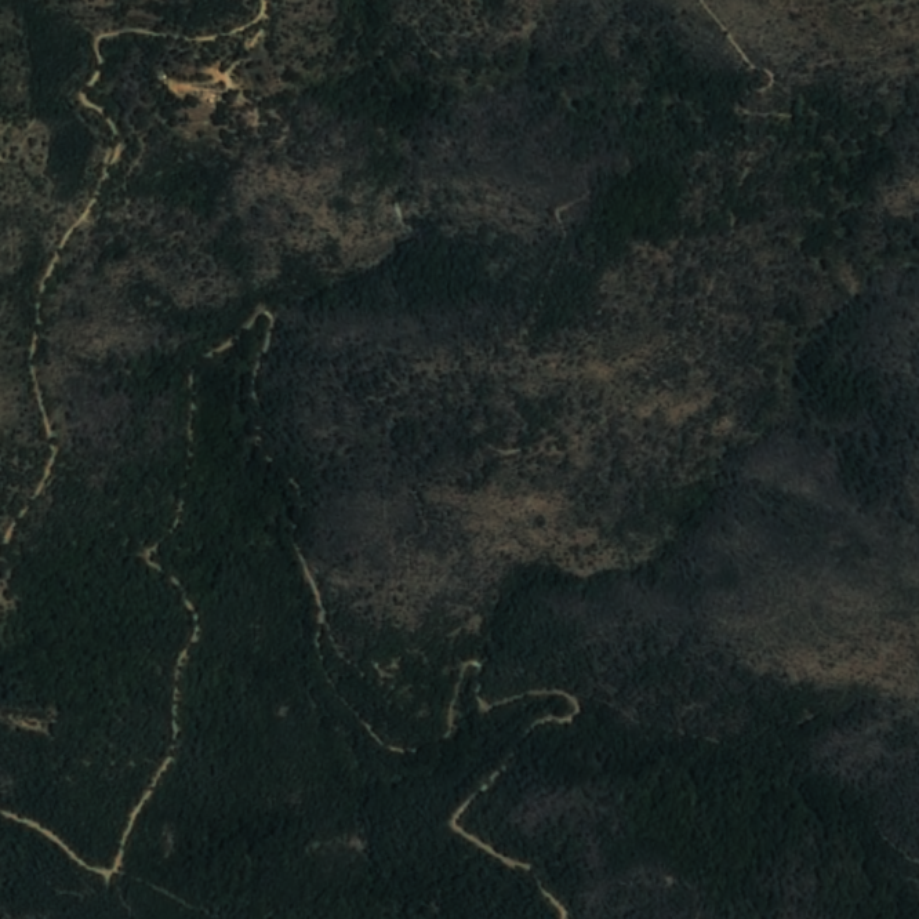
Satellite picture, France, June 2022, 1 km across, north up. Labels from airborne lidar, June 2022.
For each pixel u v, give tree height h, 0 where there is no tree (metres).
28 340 6
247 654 10
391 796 14
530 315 6
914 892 6
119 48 13
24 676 16
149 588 15
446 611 8
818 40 7
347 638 8
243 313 11
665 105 14
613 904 8
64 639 12
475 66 12
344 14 7
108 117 8
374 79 17
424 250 12
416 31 6
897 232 11
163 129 12
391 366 8
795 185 12
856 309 16
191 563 11
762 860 16
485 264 7
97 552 22
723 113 9
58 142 7
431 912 21
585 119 9
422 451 13
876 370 11
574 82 7
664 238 15
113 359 11
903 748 8
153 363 18
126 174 9
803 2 0
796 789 13
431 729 11
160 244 12
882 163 17
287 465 13
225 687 12
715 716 12
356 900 12
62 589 11
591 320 10
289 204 8
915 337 8
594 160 10
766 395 13
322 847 7
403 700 11
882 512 6
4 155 7
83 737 12
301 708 8
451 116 8
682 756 16
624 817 8
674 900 7
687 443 11
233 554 14
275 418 13
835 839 13
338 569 7
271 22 7
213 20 9
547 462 10
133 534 12
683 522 12
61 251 9
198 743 15
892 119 19
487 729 14
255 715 12
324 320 10
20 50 9
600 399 11
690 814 15
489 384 8
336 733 11
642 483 8
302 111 10
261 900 8
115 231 12
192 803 11
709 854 14
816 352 16
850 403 9
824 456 9
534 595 11
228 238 15
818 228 15
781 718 17
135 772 9
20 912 7
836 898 10
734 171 7
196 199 7
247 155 7
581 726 12
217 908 6
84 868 8
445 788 6
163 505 17
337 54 6
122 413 11
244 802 7
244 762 9
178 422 6
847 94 6
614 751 9
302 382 10
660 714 8
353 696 15
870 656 0
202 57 8
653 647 11
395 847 10
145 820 10
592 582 9
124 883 7
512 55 11
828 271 17
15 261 0
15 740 10
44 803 11
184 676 11
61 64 9
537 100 7
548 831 6
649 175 11
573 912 11
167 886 8
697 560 7
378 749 10
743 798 20
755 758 13
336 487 6
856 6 6
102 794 12
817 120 16
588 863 15
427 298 6
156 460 13
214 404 15
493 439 6
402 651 12
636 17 11
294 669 13
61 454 8
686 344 10
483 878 12
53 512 5
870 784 7
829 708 11
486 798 9
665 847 8
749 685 11
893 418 13
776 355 17
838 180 10
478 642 14
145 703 11
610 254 10
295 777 8
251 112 7
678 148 6
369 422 13
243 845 16
